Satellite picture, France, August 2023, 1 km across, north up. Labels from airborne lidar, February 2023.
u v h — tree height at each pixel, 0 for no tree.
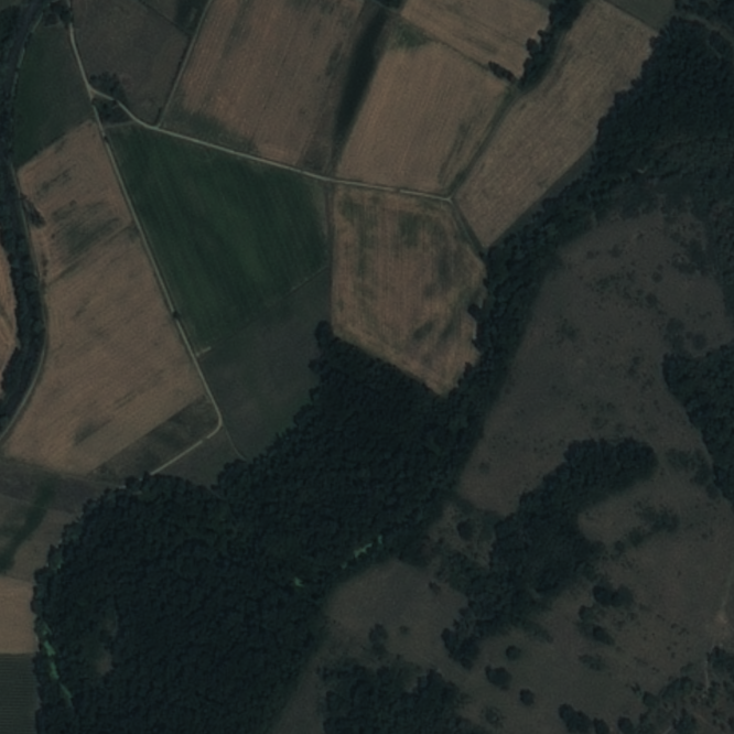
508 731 0
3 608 0
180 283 0
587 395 0
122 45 0
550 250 16
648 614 0
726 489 28
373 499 30
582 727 20
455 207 0
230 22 0
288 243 0
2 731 0
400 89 0
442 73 0
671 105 24
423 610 0
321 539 23
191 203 0
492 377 16
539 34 0
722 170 6
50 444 0
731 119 12
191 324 0
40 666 18
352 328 0
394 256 0
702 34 27
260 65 0
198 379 0
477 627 6
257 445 0
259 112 0
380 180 0
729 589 0
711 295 0
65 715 33
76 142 0
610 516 0
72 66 0
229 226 0
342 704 15
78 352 0
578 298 0
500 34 0
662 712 10
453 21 0
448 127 0
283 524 16
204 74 0
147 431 0
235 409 0
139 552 23
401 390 8
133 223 0
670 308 0
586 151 0
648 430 0
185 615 26
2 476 0
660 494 0
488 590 7
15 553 0
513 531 17
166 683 24
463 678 0
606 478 22
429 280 0
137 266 0
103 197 0
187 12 0
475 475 0
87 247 0
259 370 0
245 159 0
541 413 0
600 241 0
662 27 0
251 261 0
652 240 0
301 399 0
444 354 0
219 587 9
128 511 21
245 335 0
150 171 0
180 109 0
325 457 29
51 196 0
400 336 0
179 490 19
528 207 0
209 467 0
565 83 0
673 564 0
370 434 13
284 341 0
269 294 0
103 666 0
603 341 0
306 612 36
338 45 0
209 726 17
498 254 14
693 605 0
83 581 25
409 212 0
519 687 0
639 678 0
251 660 25
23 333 18
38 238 0
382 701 16
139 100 0
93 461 0
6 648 0
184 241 0
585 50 0
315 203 0
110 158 0
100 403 0
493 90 0
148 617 26
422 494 8
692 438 0
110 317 0
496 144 0
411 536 20
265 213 0
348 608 0
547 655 0
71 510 0
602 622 0
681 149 13
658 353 0
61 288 0
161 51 0
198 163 0
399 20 0
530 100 0
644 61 0
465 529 15
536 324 0
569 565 6
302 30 0
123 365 0
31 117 0
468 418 7
